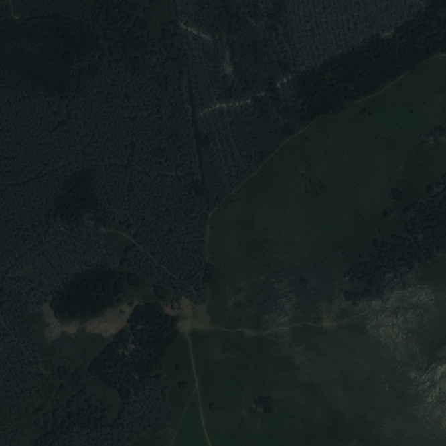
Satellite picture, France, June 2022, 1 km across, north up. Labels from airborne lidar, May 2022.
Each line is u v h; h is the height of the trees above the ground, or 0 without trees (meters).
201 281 20
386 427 0
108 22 15
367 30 19
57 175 23
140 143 27
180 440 0
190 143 26
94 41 20
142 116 29
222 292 0
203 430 0
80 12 8
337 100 16
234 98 19
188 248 24
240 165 22
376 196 0
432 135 17
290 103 17
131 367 31
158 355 23
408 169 0
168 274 27
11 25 12
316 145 0
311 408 0
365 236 0
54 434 30
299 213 0
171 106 27
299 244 0
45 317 0
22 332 16
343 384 0
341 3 19
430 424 0
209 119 22
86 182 27
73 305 24
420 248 24
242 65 16
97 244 24
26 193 22
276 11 18
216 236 0
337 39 19
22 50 17
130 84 34
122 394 23
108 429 25
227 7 25
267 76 14
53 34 20
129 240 0
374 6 19
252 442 0
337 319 0
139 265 25
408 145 0
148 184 28
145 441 0
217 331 0
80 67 24
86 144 22
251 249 0
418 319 0
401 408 0
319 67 16
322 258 0
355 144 0
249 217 0
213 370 0
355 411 0
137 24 23
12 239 26
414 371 0
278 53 12
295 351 0
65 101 15
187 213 28
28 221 19
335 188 0
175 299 6
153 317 26
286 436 0
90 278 26
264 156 17
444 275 0
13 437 7
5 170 27
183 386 17
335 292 0
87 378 12
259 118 18
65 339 0
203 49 20
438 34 10
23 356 19
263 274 0
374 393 0
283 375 0
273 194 0
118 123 26
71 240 24
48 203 24
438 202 23
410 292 0
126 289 0
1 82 21
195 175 23
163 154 29
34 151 24
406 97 0
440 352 0
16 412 10
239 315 0
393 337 0
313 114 15
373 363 0
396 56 15
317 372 0
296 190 0
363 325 0
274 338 0
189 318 0
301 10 21
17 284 21
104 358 24
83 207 29
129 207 28
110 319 0
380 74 18
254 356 0
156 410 25
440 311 0
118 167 26
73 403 20
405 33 7
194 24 23
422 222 27
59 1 6
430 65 0
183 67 21
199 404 0
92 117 25
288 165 0
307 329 0
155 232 27
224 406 0
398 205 0
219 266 0
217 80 19
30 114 27
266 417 0
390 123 0
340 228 0
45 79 19
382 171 0
